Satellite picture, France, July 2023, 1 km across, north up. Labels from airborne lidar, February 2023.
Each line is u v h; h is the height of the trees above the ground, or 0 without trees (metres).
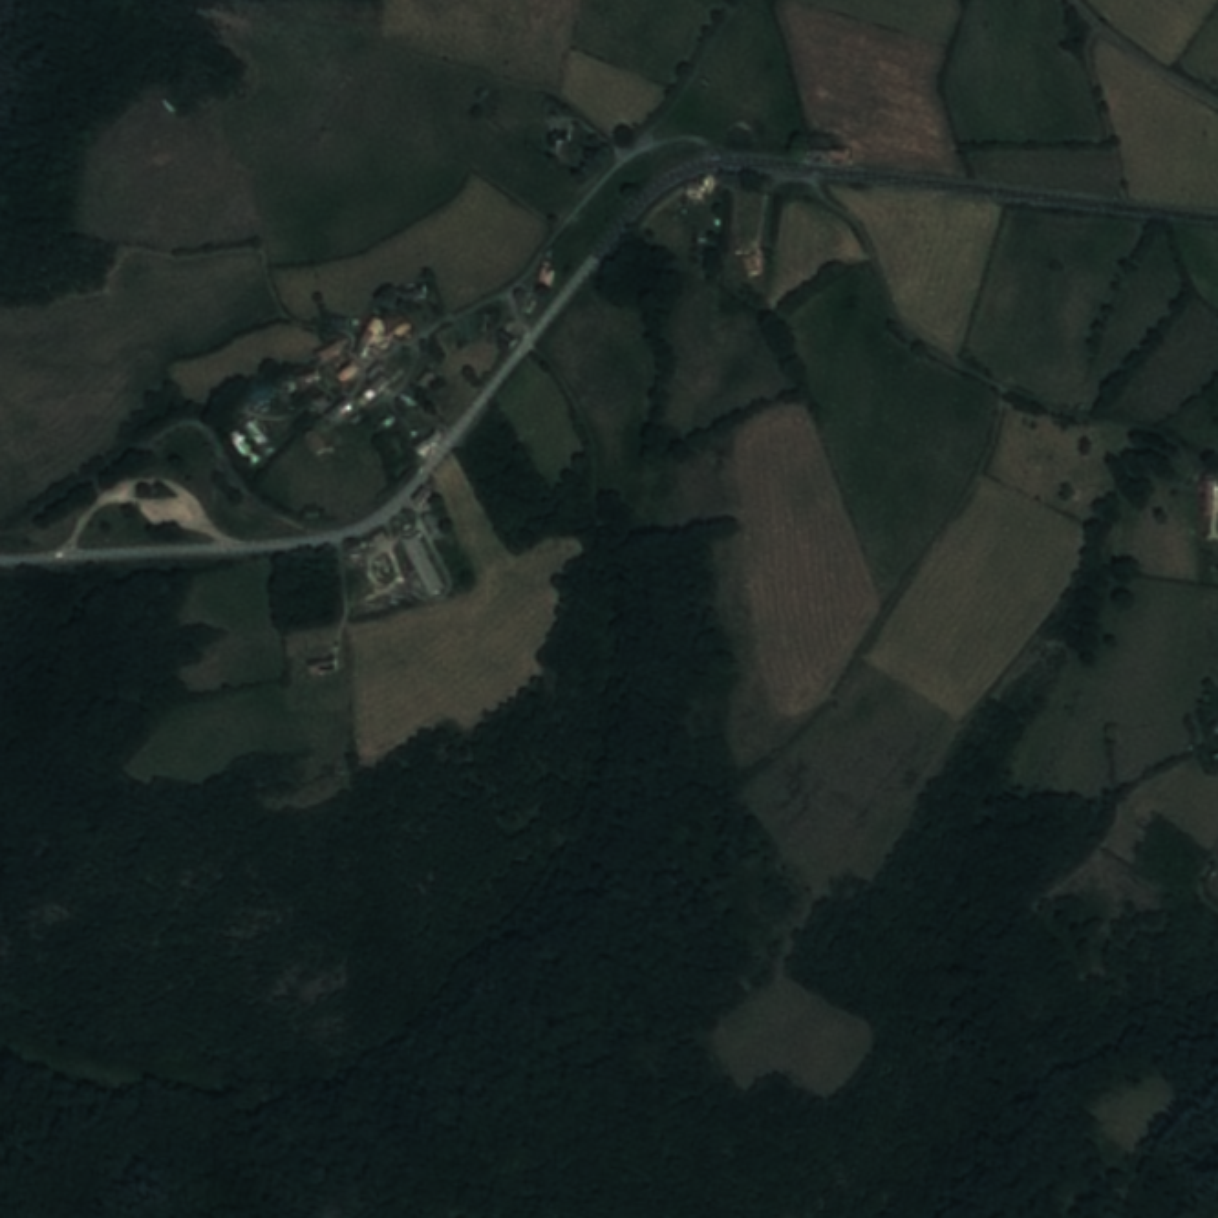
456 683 0
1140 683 0
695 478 0
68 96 12
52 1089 27
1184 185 0
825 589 0
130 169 0
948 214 0
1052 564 0
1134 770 0
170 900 16
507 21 0
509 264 0
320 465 0
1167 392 0
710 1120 14
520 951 21
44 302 11
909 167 0
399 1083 17
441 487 0
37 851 11
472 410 0
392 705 0
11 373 0
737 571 0
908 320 0
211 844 12
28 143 14
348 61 0
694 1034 10
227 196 0
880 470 0
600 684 23
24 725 29
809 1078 0
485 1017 24
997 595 0
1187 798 0
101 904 9
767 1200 16
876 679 0
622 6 0
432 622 0
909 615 0
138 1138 24
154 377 0
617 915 21
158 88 8
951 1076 12
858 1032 0
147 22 14
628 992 15
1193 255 0
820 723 0
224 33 0
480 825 19
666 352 14
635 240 11
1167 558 0
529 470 13
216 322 0
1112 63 0
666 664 20
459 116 0
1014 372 0
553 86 0
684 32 0
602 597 23
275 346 0
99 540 0
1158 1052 20
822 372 0
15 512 0
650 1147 18
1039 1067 22
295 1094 17
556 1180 18
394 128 0
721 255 13
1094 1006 13
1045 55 0
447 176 0
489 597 0
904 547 0
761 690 0
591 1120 16
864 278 0
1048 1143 23
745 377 0
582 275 0
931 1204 19
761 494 0
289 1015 11
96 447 0
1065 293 0
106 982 14
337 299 0
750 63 0
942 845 22
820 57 0
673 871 6
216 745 0
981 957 14
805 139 14
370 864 12
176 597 19
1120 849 0
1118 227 0
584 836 26
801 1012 0
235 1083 14
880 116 0
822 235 0
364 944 9
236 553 0
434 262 0
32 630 18
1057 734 0
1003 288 0
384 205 0
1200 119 0
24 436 0
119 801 11
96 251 8
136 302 0
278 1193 17
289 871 13
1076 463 0
